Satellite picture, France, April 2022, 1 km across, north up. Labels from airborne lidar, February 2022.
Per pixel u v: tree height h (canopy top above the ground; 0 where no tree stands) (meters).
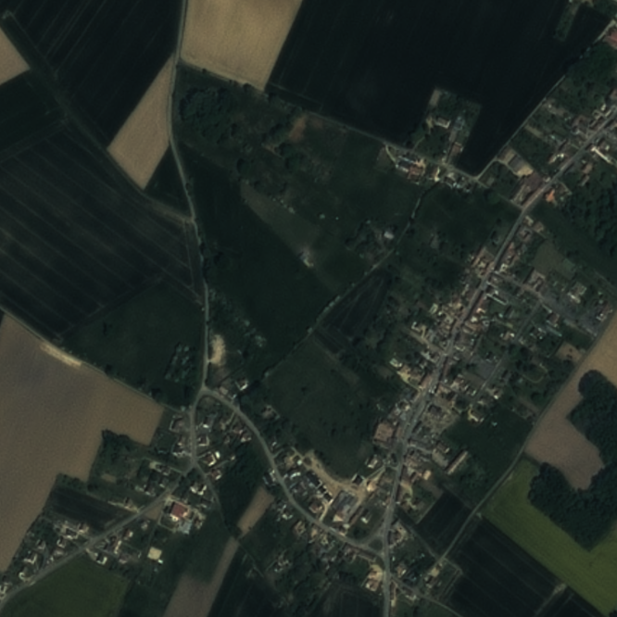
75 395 0
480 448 0
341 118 0
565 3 0
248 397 15
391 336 13
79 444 0
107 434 9
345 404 0
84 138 0
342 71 0
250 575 0
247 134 0
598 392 30
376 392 0
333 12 0
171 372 11
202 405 0
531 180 0
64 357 0
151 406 0
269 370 8
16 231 0
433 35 0
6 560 0
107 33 0
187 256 0
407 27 0
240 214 0
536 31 0
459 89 0
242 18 0
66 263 0
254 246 0
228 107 24
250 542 0
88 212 0
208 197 0
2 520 0
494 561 0
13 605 0
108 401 0
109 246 0
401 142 0
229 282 0
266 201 0
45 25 0
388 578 0
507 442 0
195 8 0
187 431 0
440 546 0
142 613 0
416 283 0
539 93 0
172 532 0
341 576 10
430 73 0
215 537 0
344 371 0
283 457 0
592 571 0
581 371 0
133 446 12
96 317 0
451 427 0
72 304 0
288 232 0
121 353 0
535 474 0
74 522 0
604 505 8
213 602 0
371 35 0
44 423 0
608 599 0
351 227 0
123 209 0
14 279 0
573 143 0
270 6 0
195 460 0
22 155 0
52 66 0
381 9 0
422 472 0
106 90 0
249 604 0
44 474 0
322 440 0
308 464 10
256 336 12
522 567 0
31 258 0
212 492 0
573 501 13
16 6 0
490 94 0
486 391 0
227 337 0
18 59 0
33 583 0
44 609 0
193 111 26
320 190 0
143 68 0
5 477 0
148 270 0
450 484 0
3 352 0
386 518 0
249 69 0
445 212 0
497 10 0
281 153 6
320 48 0
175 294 0
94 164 0
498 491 0
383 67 0
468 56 0
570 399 0
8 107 0
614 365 0
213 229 0
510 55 0
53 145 0
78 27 0
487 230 0
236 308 17
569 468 0
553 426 0
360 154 0
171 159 0
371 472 0
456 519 0
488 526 0
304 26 0
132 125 0
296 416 0
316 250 0
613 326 0
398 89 0
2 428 0
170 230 0
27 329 0
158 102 0
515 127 0
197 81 0
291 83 0
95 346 0
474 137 0
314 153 0
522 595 0
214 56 0
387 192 0
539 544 0
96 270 0
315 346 0
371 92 0
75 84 0
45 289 0
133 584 0
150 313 0
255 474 12
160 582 0
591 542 16
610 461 7
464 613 0
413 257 0
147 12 0
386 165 0
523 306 0
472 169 0
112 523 0
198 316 0
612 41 0
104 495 0
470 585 0
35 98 0
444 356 0
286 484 0
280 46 0
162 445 0
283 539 0
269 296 0
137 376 0
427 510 0
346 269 0
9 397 0
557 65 0
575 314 6
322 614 0
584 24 0
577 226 7
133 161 0
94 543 0
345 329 0
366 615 0
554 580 0
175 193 0
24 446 0
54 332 0
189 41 0
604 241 9
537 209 0
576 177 8
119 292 0
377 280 0
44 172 0
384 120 0
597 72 8
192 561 0
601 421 21
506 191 0
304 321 0
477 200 0
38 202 0
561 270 0
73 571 0
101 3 0
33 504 0
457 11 0
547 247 0
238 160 0
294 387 0
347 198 0
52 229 0
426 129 12
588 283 0
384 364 14
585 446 0
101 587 0
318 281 0
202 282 0
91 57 0
